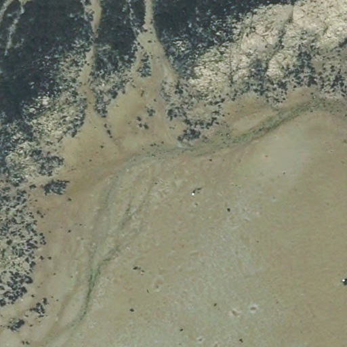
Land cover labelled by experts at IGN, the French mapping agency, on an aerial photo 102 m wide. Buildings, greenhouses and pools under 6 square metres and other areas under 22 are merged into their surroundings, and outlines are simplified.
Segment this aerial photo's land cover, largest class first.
<instances>
[{"label":"bare soil","instance_id":"1","mask_svg":"<svg viewBox=\"0 0 347 347\"><path fill-rule=\"evenodd\" d=\"M84 11L91 12L94 16L89 41L76 39L72 52L54 56L60 61V65L50 72V76H56L54 95L57 98L42 99L45 114L41 118L33 119L30 125L33 127L34 140L16 145L14 152H9L5 157L9 172L4 173L3 167H0V347H347V0H287L283 5H260L247 15L240 14V22L230 16L217 19L214 16L210 27H199L195 38L188 39L187 34H182L178 38L171 37L165 31L156 33L153 26L152 0H144V26L133 28L136 41L129 50H126V56H123L118 50L111 49L110 45L96 43L102 14L99 0H80Z\"/></svg>","mask_w":347,"mask_h":347},{"label":"herbaceous vegetation","instance_id":"2","mask_svg":"<svg viewBox=\"0 0 347 347\"><path fill-rule=\"evenodd\" d=\"M94 16L91 12L84 11L80 0H0V167H3L4 173L9 172L5 157L9 152H14L16 145L34 140L33 127L30 125L33 119L41 118L45 114L42 99L57 98L54 95L56 76H50V72L60 65V61L54 56L72 52L76 39L89 41ZM102 14L96 43L110 45L111 49L118 50L123 56H126V50H129L136 41L133 28L144 26V0H99ZM287 0H152L153 26L156 33L165 31L171 37L178 38L182 34H187L188 39L195 38L199 27H210L214 16L217 19L230 16L240 22V14L247 15L260 5H283Z\"/></svg>","mask_w":347,"mask_h":347}]
</instances>
